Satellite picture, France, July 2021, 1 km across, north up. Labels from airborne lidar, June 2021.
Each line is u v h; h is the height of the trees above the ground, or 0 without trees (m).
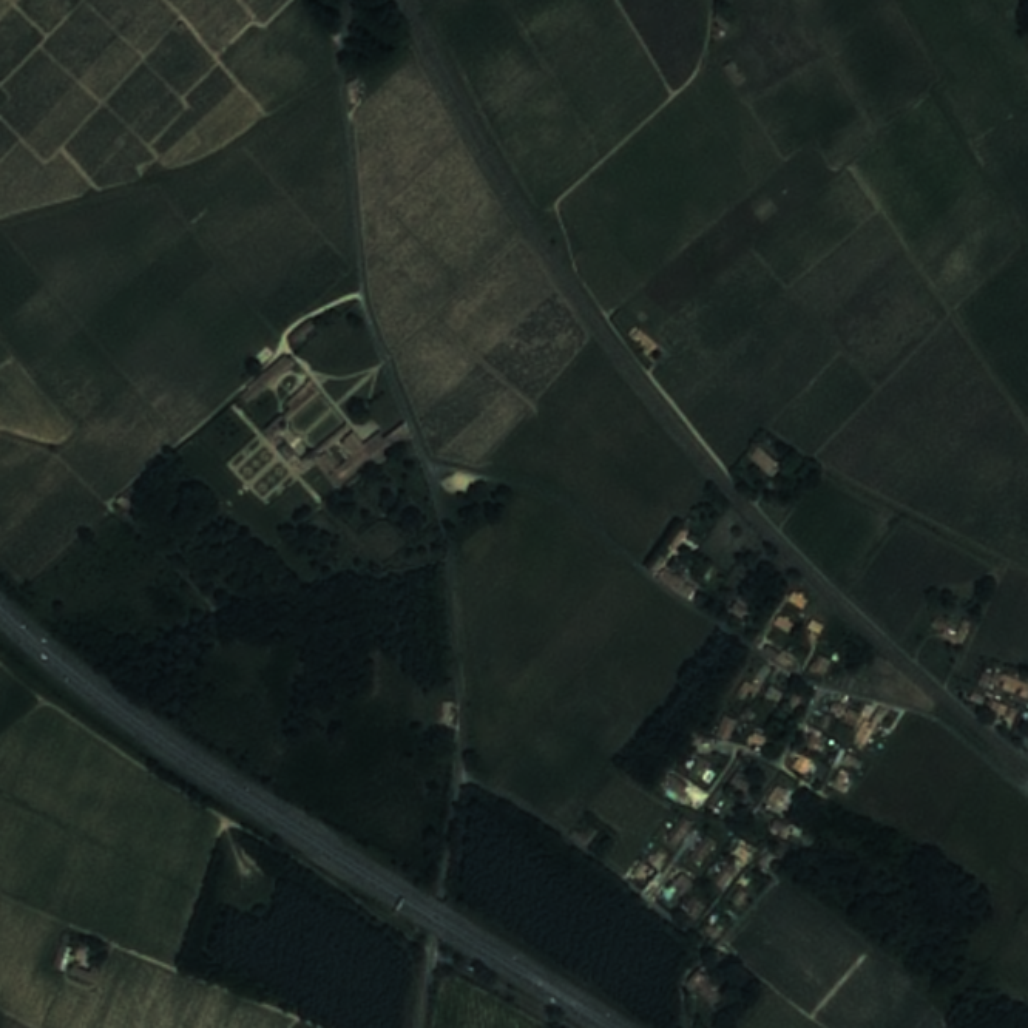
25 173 0
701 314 0
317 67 0
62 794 0
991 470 0
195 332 0
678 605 0
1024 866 0
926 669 0
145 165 0
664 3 0
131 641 10
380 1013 14
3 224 0
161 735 0
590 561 0
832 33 0
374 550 0
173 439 0
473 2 0
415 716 0
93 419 0
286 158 0
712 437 0
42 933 0
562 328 0
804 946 0
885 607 0
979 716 10
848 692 0
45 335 0
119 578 0
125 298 0
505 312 0
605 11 0
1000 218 0
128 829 0
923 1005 0
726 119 0
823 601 0
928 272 0
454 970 7
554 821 0
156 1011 0
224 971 10
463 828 10
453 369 0
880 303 0
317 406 0
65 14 0
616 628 0
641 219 0
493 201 0
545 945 14
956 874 16
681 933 12
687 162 0
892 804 0
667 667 0
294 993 10
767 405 0
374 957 14
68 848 0
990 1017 16
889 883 12
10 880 0
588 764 0
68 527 0
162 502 18
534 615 0
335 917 14
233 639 22
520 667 0
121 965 0
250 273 0
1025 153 0
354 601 16
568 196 0
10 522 0
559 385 0
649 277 0
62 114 0
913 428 0
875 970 0
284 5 0
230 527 14
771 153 0
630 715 0
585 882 11
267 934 12
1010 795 0
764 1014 0
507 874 14
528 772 0
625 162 0
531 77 0
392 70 0
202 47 0
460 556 0
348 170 0
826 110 0
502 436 0
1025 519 0
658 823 0
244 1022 0
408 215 0
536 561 0
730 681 23
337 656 20
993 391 0
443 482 0
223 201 0
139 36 0
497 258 0
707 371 0
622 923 13
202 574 14
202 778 0
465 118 0
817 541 0
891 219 0
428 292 0
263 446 0
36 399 0
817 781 10
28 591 6
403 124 0
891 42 0
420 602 10
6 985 0
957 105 0
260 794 0
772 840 7
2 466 0
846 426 0
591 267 0
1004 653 0
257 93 0
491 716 0
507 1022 0
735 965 18
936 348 0
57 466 0
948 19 0
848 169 0
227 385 0
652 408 0
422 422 0
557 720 0
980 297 0
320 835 0
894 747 0
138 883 0
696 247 0
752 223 0
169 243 0
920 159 0
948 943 15
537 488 0
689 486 0
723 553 0
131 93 0
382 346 0
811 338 0
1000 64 0
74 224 0
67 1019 0
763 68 0
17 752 0
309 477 0
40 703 0
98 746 0
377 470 21
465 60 0
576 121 0
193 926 9
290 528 11
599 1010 0
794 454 20
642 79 0
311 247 0
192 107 0
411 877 8
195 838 0
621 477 0
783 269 0
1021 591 0
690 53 0
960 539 0
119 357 0
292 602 23
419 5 0
